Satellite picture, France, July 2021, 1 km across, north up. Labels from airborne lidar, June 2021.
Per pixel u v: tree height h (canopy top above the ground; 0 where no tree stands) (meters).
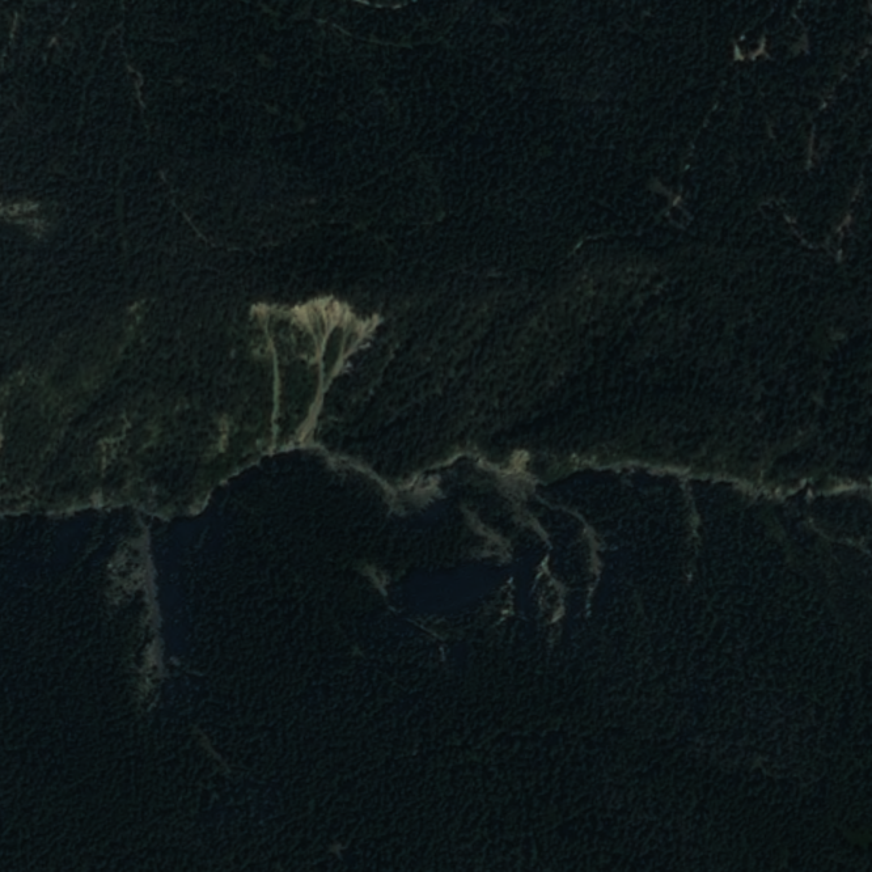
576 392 13
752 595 21
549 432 10
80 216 11
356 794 23
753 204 14
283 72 15
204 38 17
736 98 17
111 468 10
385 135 13
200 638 18
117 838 9
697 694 9
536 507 15
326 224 10
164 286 9
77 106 13
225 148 16
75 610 16
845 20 18
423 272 16
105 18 11
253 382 10
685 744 14
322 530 26
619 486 15
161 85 11
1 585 16
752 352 7
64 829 18
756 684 13
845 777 23
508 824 28
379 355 7
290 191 9
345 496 21
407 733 26
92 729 19
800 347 13
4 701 21
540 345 11
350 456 15
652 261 11
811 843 17
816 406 19
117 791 18
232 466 10
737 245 12
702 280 12
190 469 7
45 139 10
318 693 29
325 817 15
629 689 16
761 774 13
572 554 15
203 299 10
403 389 10
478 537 6
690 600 13
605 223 21
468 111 17
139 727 21
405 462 11
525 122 21
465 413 8
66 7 11
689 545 9
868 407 11
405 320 12
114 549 13
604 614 12
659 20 9
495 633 10
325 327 0
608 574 7
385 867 22
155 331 6
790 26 21
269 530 9
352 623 16
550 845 22
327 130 13
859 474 15
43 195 7
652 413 11
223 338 10
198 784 22
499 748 24
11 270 7
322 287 12
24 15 5
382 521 23
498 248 6
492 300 8
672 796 23
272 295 10
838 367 15
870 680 17
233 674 22
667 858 11
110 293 9
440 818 20
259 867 16
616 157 21
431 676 14
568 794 29
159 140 9
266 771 17
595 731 15
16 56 9
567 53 12
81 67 10
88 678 18
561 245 9
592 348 13
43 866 14
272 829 9
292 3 20
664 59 16
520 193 14
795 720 14
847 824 19
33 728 21
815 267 15
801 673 25
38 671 17
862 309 7
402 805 18
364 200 11
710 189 17
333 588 17
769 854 17
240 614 19
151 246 6
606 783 16
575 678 13
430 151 16
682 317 11
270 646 26
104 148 12
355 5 10
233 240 10
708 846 17
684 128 8
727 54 17
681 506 10
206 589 31
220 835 17
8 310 7
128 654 12
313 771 24
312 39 19
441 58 12
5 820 23
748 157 24
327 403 8
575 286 6
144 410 10
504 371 15
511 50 11
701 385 10
